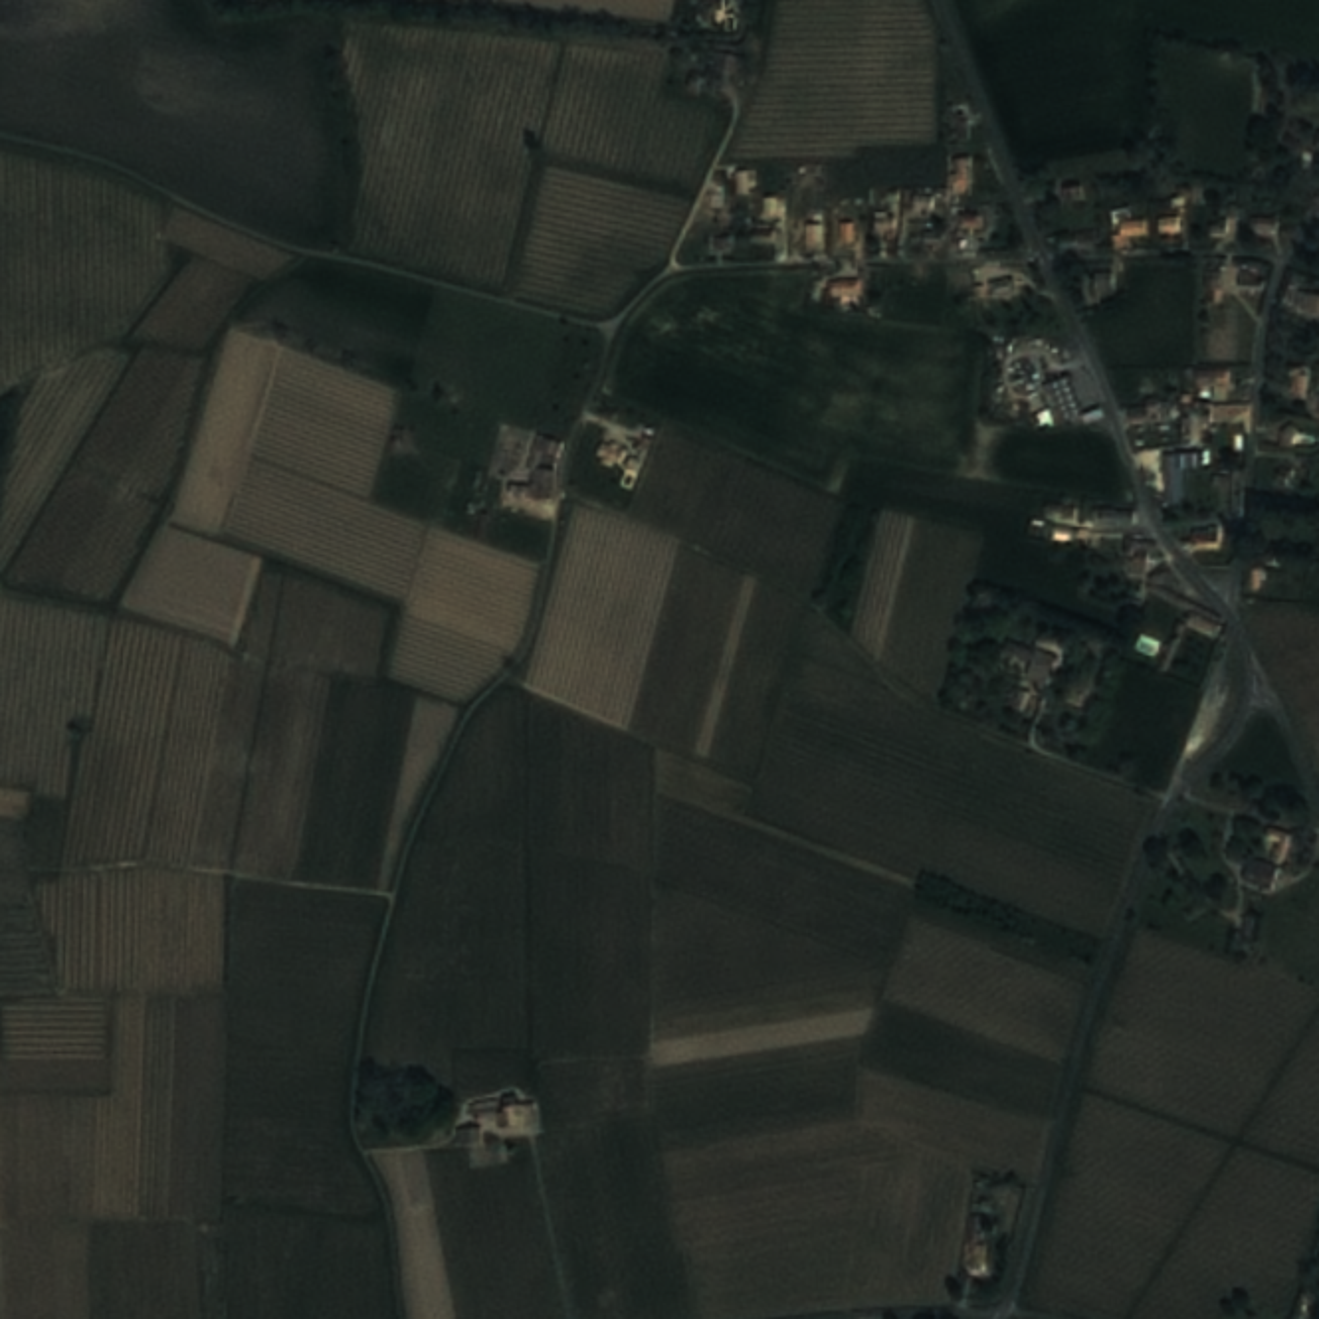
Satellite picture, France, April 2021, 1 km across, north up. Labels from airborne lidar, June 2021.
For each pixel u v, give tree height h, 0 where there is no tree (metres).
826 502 0
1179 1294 0
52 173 0
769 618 0
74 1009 0
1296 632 0
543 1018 0
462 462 0
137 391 0
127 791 0
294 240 0
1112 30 0
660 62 0
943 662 0
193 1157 0
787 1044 0
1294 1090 0
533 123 0
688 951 0
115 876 0
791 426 0
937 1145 0
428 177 0
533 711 0
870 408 0
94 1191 0
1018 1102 0
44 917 0
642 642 0
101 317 0
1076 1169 0
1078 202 7
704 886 0
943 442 0
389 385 0
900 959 0
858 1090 0
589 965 0
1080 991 0
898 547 0
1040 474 0
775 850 0
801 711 0
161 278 0
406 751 0
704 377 0
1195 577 0
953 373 0
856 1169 0
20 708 0
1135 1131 0
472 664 0
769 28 0
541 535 0
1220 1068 0
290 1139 0
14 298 0
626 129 0
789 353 0
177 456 0
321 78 0
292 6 10
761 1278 0
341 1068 0
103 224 0
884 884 0
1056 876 0
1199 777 0
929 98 0
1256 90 0
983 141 0
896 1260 0
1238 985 0
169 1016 0
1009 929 6
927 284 0
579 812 0
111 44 0
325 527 0
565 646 0
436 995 0
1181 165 13
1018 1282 0
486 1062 0
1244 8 0
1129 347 0
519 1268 0
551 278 0
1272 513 15
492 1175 0
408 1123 19
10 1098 0
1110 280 0
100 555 0
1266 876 0
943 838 0
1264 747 0
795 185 0
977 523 0
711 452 0
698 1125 0
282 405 0
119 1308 0
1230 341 0
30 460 0
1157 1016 0
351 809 0
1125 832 0
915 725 0
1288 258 0
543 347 0
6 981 0
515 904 0
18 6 0
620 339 0
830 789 0
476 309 0
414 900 0
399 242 0
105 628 0
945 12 0
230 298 0
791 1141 0
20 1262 0
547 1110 0
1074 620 12
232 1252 0
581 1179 0
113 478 0
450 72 0
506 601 0
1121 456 0
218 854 0
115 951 0
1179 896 7
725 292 0
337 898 0
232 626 0
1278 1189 0
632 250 0
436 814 0
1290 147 10
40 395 0
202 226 0
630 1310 0
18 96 0
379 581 0
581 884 0
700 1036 0
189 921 0
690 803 0
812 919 0
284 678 0
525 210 0
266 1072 0
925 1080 0
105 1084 0
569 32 14
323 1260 0
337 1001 0
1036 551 0
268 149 0
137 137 0
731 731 0
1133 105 0
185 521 0
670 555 0
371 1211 0
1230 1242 0
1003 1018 0
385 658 0
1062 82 0
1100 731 11
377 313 0
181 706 0
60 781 0
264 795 0
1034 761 0
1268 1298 0
